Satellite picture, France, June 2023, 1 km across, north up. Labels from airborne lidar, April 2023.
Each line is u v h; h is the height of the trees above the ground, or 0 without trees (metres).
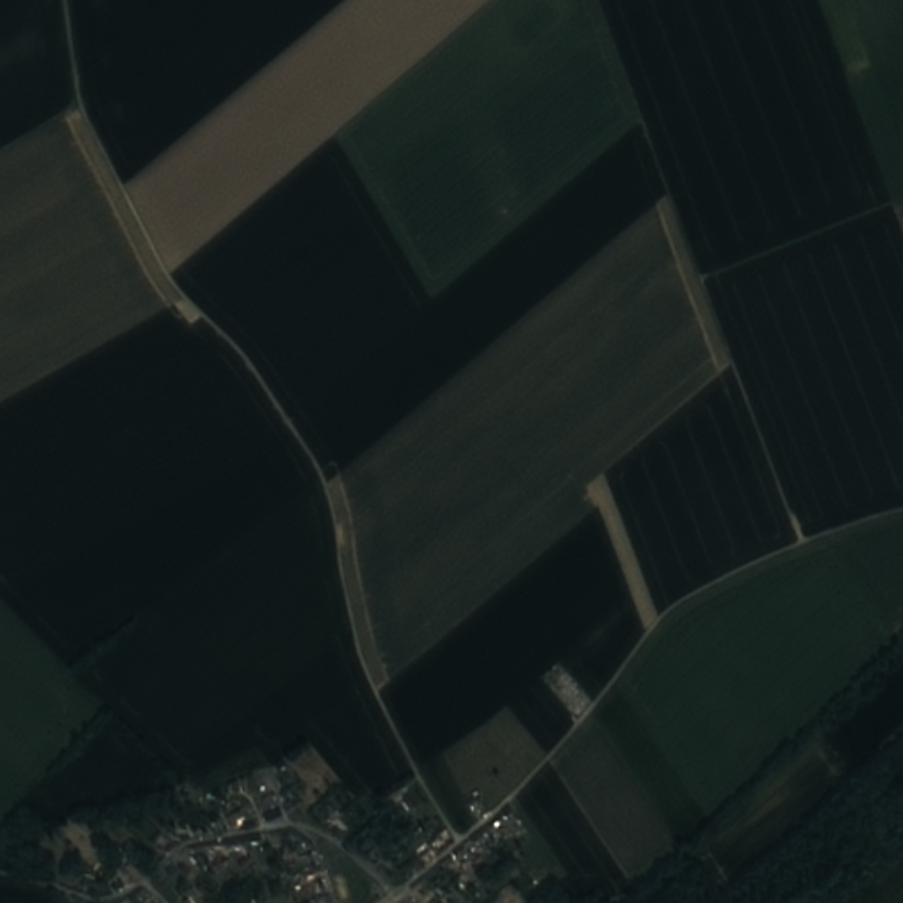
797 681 0
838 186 0
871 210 0
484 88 0
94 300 0
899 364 0
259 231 0
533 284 0
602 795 0
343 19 0
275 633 0
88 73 0
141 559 0
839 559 0
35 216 0
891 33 0
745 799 11
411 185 0
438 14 0
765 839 0
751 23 0
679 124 0
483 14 0
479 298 0
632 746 0
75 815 11
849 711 17
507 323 0
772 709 0
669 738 0
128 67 0
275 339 0
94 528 0
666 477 0
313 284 0
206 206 0
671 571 0
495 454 0
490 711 0
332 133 0
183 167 0
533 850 0
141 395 0
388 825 15
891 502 0
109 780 0
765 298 0
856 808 29
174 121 0
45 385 0
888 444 0
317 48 0
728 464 0
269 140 0
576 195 0
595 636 0
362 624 0
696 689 0
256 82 0
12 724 0
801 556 0
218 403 0
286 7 0
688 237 0
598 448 0
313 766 0
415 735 0
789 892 28
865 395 0
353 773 0
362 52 0
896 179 0
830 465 0
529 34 0
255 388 0
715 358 0
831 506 0
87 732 14
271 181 0
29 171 0
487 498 0
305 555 0
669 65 0
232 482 0
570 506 0
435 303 0
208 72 0
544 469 0
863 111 0
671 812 0
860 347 0
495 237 0
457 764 0
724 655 0
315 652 0
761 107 0
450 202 0
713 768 0
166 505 0
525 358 0
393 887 0
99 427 0
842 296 0
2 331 0
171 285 0
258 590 0
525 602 0
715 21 0
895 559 0
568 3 0
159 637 0
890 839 25
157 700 0
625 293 0
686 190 0
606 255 0
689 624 0
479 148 0
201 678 0
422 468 0
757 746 0
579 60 0
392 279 0
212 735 0
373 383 0
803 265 0
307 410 0
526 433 0
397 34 0
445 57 0
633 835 0
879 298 0
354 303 0
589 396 0
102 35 0
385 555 0
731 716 0
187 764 0
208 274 0
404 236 0
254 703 0
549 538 0
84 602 0
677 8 0
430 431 0
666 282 0
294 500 0
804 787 0
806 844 22
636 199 0
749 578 0
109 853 23
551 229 0
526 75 0
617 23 0
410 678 0
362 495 0
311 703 0
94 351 0
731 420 0
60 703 0
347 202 0
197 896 0
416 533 0
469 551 0
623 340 0
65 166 0
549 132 0
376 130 0
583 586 0
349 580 0
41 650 0
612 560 0
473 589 0
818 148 0
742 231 0
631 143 0
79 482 0
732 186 0
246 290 0
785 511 0
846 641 0
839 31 0
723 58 0
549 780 0
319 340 0
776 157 0
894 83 0
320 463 0
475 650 0
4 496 0
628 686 0
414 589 0
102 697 0
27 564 0
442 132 0
